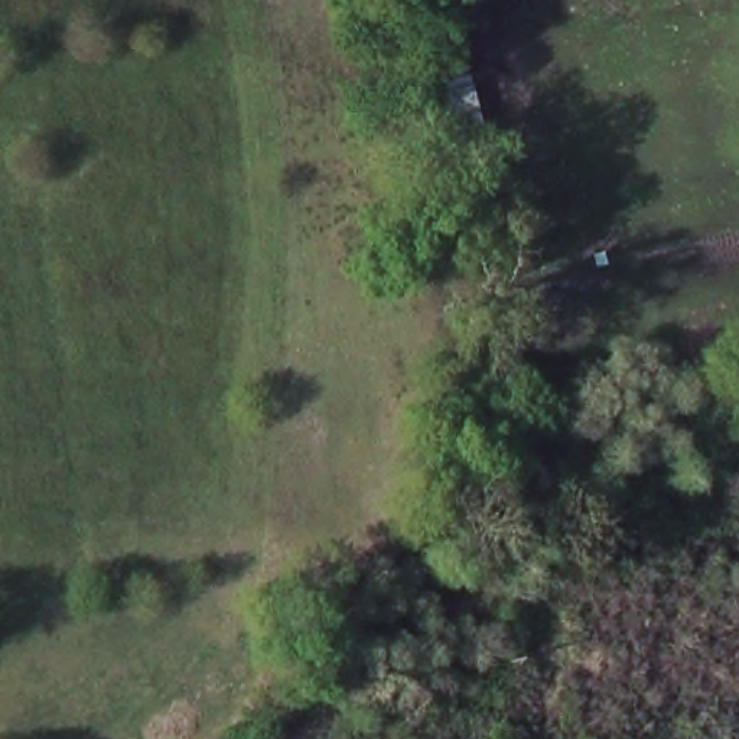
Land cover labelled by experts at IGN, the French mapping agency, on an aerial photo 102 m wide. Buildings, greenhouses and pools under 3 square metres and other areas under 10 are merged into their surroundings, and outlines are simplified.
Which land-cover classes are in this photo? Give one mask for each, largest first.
<instances>
[{"label":"herbaceous vegetation","instance_id":"1","mask_svg":"<svg viewBox=\"0 0 739 739\"><path fill-rule=\"evenodd\" d=\"M69 20H84L92 29L110 35L113 49H107L104 64L75 61L61 46V32ZM141 23H153L167 35V40L156 49L153 58H144L130 49V38ZM329 26V20L323 0H0V38L20 43V66L14 64L0 78V147H9L17 136H29L32 141L49 136V159L58 173V179H43L35 173L29 185L20 188L6 170V162H0V739H222L234 725L245 719L251 707L263 701L266 687V673L257 661L248 658L245 641L234 621L240 600L263 592L280 574L303 572V557L309 554L323 551V557L338 560L341 540L364 551L372 548L370 528L387 522L381 497L387 494L390 476L395 471V419L401 407L419 404L410 393V375L439 346V315L447 309L450 300H459L468 292L459 280L462 271L456 268V242L450 237H445L439 245V254L430 266V289L421 297L372 294L370 300H364L361 286L344 277V263L361 254V242L355 240V219L364 202L381 185L375 182L372 165L358 159V153L352 150V133L344 127L335 84L349 81L355 72L349 64L329 52L323 29ZM306 162L320 170V179L303 196H289L286 170L292 165ZM234 364L242 367L257 384L266 378L268 387V416L254 433H242L228 421L225 393L234 378ZM188 557H205V569L219 583L199 600H188L185 572L176 563ZM78 566L89 572L98 569L110 577L107 603L113 609L101 612L95 621H75L66 609V583ZM136 574H150L162 586V609L150 618V624L133 621V612L127 609L130 580ZM465 72L473 78L485 121H491L502 133H514L522 139V159H514L508 165V173L525 191V202L543 214V225L534 231L528 242V266L534 268L557 257H566L569 263V268L546 277V289L537 300L546 312V320H580L583 332L566 338V349H577L583 344L609 349L612 335H629L641 344H658V361L670 370H684L704 355V349L719 338V329L739 323V0H497L494 12H479L473 3L465 9Z\"/></svg>","mask_w":739,"mask_h":739},{"label":"deciduous trees","instance_id":"2","mask_svg":"<svg viewBox=\"0 0 739 739\"><path fill-rule=\"evenodd\" d=\"M473 3L479 12H494L497 0H323L329 20V26L323 29L329 52L349 64L355 72L349 81L335 84L344 127L352 133V150L358 153V159L372 165L375 182L381 185L364 202L355 219V240L361 242V254L344 263V277L361 286L364 300H370L372 294L421 297L430 289V266L439 254V245L445 237H450L456 242V268L462 271L459 280L468 292L459 300H450L447 309L439 315V346L410 375V393L419 404L401 407L395 419V471L390 476L387 494L381 497L387 522L370 528L372 548L364 551L341 540L338 560L323 557V551L309 554L303 557V572L280 574L263 592L240 600L234 621L245 641L248 658L257 661L266 673V687L263 701L251 707L245 719L234 725L222 739H280L283 716L289 710H303L309 704H329L338 710L332 727L335 739H413V730L407 725H387L375 710L355 699V690L375 684L378 667H384L390 675L407 678H413L416 673H430V678L439 673L456 678L468 687L465 710L491 722L488 739H508V701L517 681L534 684V678L540 675L537 664L525 655L528 629L517 618V600H540L543 595H557L577 574L600 577L612 563L618 546L632 548L635 540L658 543L664 554L675 557L681 554V546L690 537H699L704 543L710 537L739 534V323L719 329V338L704 349V355L684 370H670L658 361V344H641L629 335H612L609 349L583 344L577 349H566V338L583 332L580 320H546V312L537 300L546 289V277L569 268V263L566 257H557L534 268L528 266V242L534 231L543 225V214L525 202V191L508 173V165L514 159H522V139L514 133H502L491 121H485L482 127L459 130L456 115L439 104L445 84L465 72V9ZM61 46L75 61L104 64L107 49H113L110 35L92 29L84 20H69L61 32ZM167 40V35L153 23H141L130 38V49L144 58H153L156 49ZM14 64L20 66V43L0 38V78ZM0 162H6V170L20 188L29 185L35 173L43 179H58V173L49 159V136L32 141L29 136H17L9 147H0ZM320 179V170L306 162L292 165L286 170L289 196H303ZM268 387L266 378L257 384L242 367L234 364V378L225 393L228 421L242 433H254L268 416ZM725 551H716L707 560L701 577L678 580L690 589H699L707 603H716L722 589H739V566L733 569V574H722ZM176 563L185 572L188 600H199L219 583L205 569V557H188ZM110 577L98 569L89 572L78 566L66 583V609L75 621H95L101 612L113 609L107 603ZM127 609L133 612V621L150 624V618L162 609V586L150 574H136L130 580ZM560 730H566L580 716V693L572 684L551 704Z\"/></svg>","mask_w":739,"mask_h":739},{"label":"brushwood","instance_id":"3","mask_svg":"<svg viewBox=\"0 0 739 739\"><path fill-rule=\"evenodd\" d=\"M716 551H725L722 574H733V569L739 566V534L710 537L704 543L699 537H690L681 546V554L675 557L664 554L658 543L635 540L632 548L618 546L612 563L600 577L577 574L557 595H543L540 600H517V618L528 629L525 655L537 664L540 675L534 678V684L517 681L508 701V739H739V589H722L716 603H707L699 589H690L678 580L701 577L707 560ZM572 684L580 693V716L566 730H560L551 704ZM355 699L375 710L387 725H407L413 730V739H488L491 722L465 710L468 687L456 678L439 673L430 678V673H416L413 678H407L390 675L384 667H378L375 684L355 690ZM338 710L329 704H309L303 710H289L283 716L280 739H335L332 727Z\"/></svg>","mask_w":739,"mask_h":739},{"label":"building","instance_id":"4","mask_svg":"<svg viewBox=\"0 0 739 739\"><path fill-rule=\"evenodd\" d=\"M439 104L456 115L459 130L482 127L485 121L473 78L465 72L445 84Z\"/></svg>","mask_w":739,"mask_h":739}]
</instances>
